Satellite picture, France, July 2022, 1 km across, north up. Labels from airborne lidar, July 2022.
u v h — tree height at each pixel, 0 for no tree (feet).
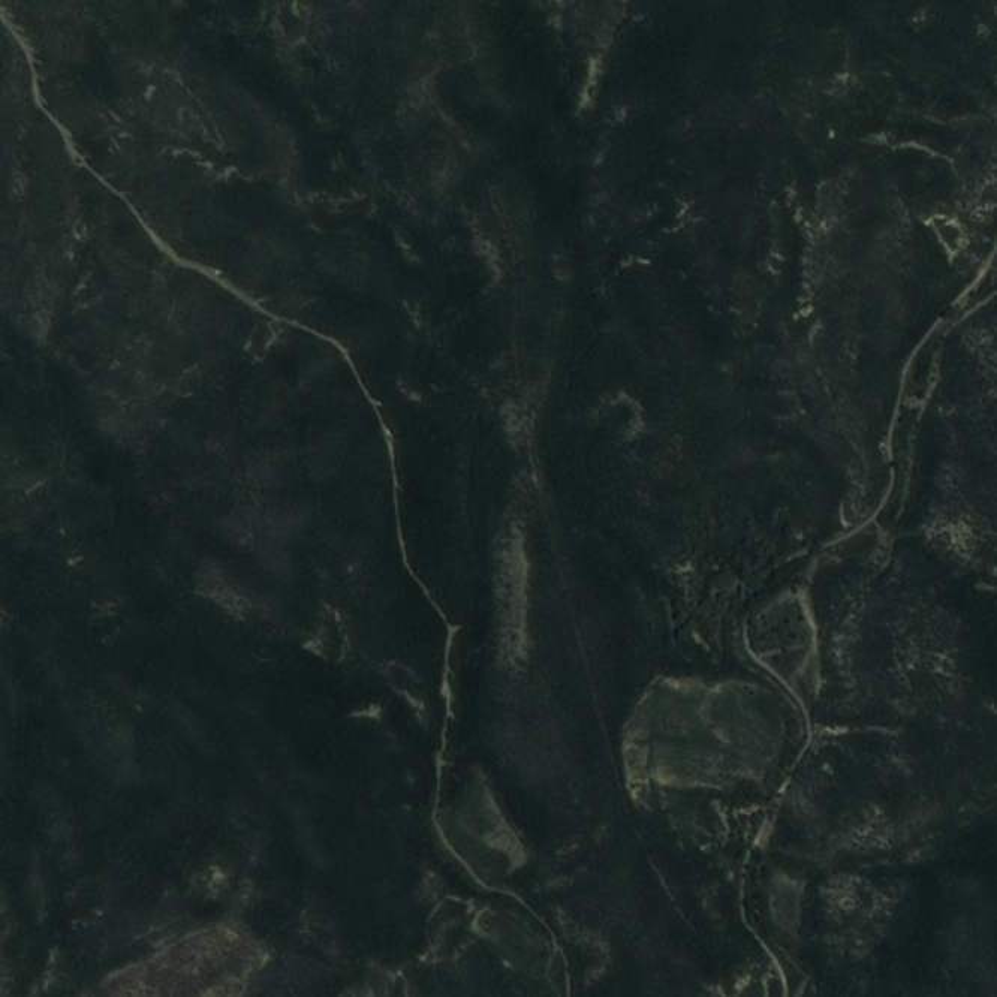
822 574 18
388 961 19
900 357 17
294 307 0
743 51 17
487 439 23
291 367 18
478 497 19
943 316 29
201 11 18
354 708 17
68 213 0
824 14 19
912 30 18
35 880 0
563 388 23
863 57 19
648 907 19
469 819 0
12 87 0
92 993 0
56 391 18
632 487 17
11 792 18
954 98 25
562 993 0
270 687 21
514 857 0
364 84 18
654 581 24
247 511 0
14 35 0
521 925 0
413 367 36
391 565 17
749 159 17
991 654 19
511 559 0
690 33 17
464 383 18
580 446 25
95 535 18
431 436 23
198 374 0
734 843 23
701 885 23
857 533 0
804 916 20
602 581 28
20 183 0
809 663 0
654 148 18
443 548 17
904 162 19
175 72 0
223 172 0
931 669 0
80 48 0
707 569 40
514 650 0
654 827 22
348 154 20
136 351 0
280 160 0
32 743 19
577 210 26
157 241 0
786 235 19
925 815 0
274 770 20
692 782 0
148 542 20
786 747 19
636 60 18
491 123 19
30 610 18
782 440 22
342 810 17
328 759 20
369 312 19
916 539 18
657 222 17
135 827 17
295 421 19
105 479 17
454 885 17
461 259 23
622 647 21
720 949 19
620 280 22
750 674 19
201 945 0
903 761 0
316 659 24
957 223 0
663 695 0
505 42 23
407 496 20
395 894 20
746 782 22
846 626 0
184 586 20
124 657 21
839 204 0
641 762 0
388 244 23
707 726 0
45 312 0
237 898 0
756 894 19
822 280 0
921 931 22
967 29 18
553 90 21
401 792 22
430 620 18
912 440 17
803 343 0
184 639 21
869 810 0
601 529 23
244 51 21
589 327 20
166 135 0
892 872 19
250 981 0
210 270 0
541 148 21
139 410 0
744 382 19
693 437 18
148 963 0
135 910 0
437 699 17
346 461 18
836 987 20
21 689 23
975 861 21
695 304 20
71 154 0
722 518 32
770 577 25
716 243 20
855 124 18
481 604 25
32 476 0
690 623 37
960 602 18
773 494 19
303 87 19
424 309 21
